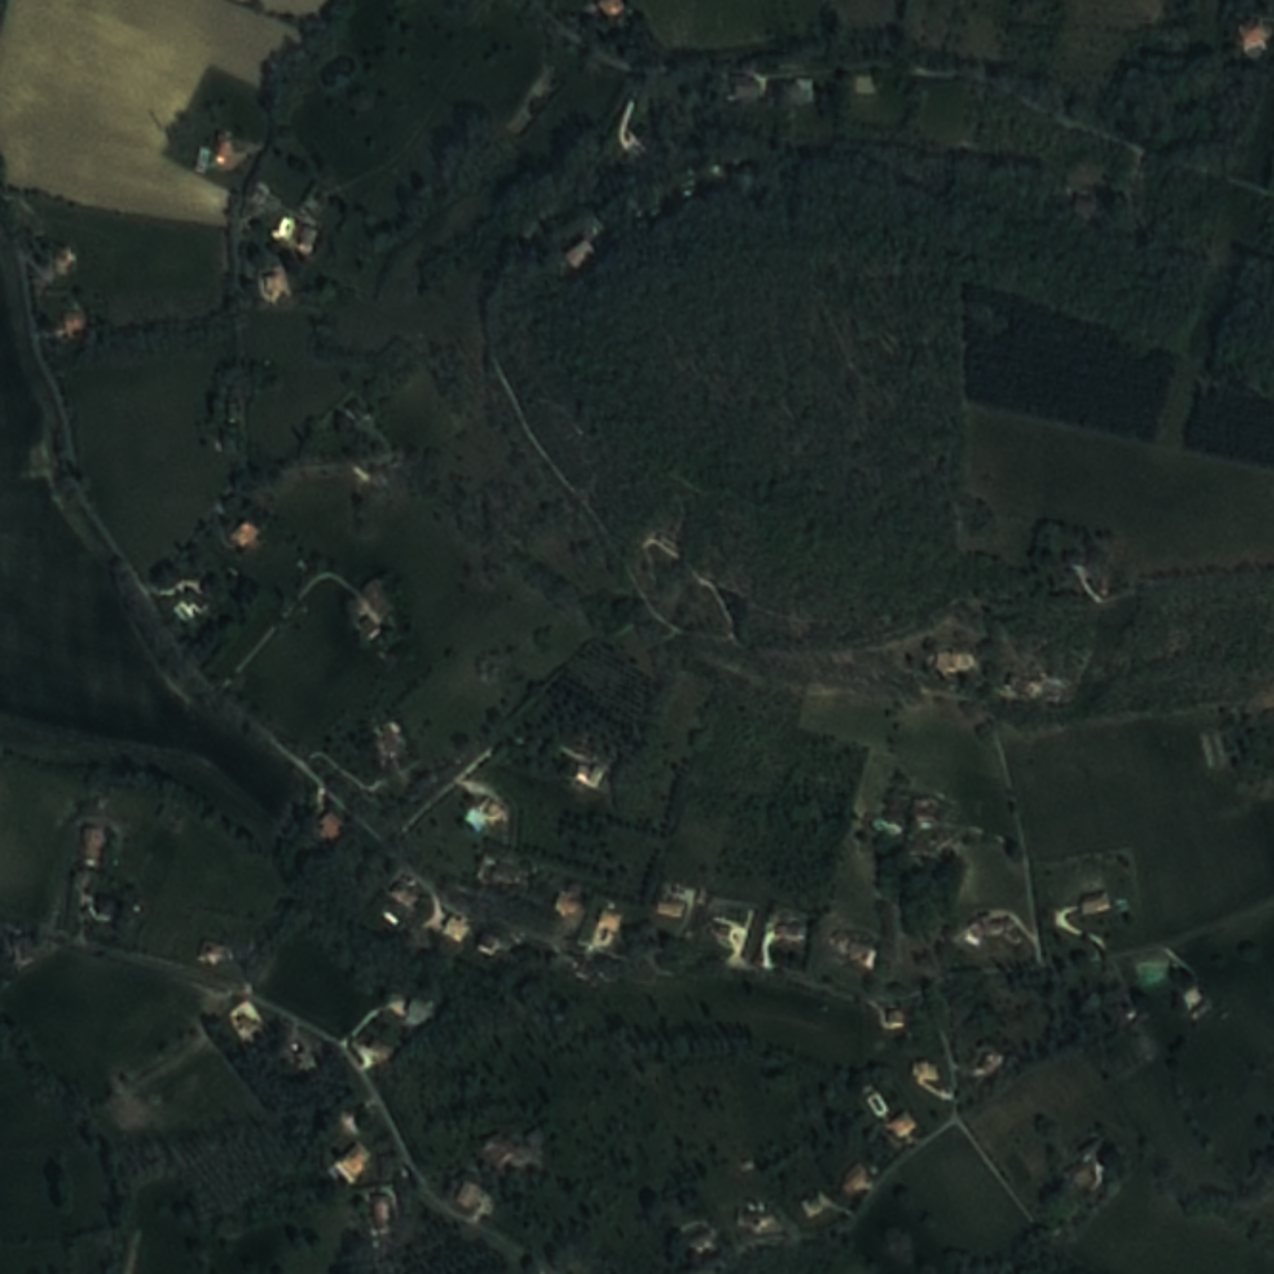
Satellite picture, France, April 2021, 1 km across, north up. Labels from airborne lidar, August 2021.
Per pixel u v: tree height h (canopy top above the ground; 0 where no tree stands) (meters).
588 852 6
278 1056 18
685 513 7
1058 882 0
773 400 15
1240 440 11
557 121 0
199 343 7
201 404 0
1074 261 19
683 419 13
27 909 0
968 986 12
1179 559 0
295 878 7
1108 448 0
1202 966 0
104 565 0
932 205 16
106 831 0
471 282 0
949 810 0
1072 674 10
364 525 14
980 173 15
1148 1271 0
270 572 0
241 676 8
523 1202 13
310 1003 0
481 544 15
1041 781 0
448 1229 8
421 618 0
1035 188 18
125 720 0
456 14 17
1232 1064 0
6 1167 0
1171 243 8
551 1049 11
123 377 0
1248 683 13
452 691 0
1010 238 17
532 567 13
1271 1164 10
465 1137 10
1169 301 19
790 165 13
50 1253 0
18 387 0
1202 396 11
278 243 7
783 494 9
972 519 15
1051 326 10
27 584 0
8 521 0
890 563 10
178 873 0
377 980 10
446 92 0
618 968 20
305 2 0
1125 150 6
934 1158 0
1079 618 13
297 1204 16
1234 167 20
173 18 0
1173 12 9
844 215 19
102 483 0
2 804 0
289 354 0
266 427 0
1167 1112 0
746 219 17
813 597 11
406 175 0
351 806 17
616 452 10
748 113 7
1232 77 11
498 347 11
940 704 9
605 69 7
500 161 17
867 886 0
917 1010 10
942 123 0
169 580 15
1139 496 0
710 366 15
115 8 0
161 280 0
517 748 12
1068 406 12
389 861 9
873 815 0
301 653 0
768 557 12
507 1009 15
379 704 7
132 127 0
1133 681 16
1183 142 12
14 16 0
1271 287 16
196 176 0
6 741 0
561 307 8
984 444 0
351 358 9
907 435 15
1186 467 0
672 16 0
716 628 10
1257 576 13
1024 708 15
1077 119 19
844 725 0
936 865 7
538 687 8
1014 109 10
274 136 6
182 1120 0
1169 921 0
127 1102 0
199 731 0
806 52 16
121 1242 8
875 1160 8
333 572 14
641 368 14
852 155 13
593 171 14
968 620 17
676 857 0
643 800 13
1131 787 0
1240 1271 0
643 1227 11
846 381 15
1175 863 0
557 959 11
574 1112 0
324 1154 14
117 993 0
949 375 19
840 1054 0
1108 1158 15
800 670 15
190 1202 13
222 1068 0
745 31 0
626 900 6
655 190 18
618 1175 10
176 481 0
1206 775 0
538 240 0
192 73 0
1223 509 0
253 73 0
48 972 0
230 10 0
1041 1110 0
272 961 9
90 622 0
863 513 14
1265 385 14
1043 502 0
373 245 14
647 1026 0
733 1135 0
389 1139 13
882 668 14
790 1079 16
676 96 7
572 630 0
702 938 0
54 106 0
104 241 0
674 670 18
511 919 24
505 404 11
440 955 24
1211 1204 15
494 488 9
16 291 0
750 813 9
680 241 15
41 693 0
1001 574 12
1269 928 0
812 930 11
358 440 12
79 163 0
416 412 0
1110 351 10
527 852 9
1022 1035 0
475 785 0
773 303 16
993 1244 0
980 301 10
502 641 0
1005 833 0
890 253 11
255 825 0
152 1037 0
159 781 18
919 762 0
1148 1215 0
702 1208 7
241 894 0
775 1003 0
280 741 14
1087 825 0
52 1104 13
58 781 0
